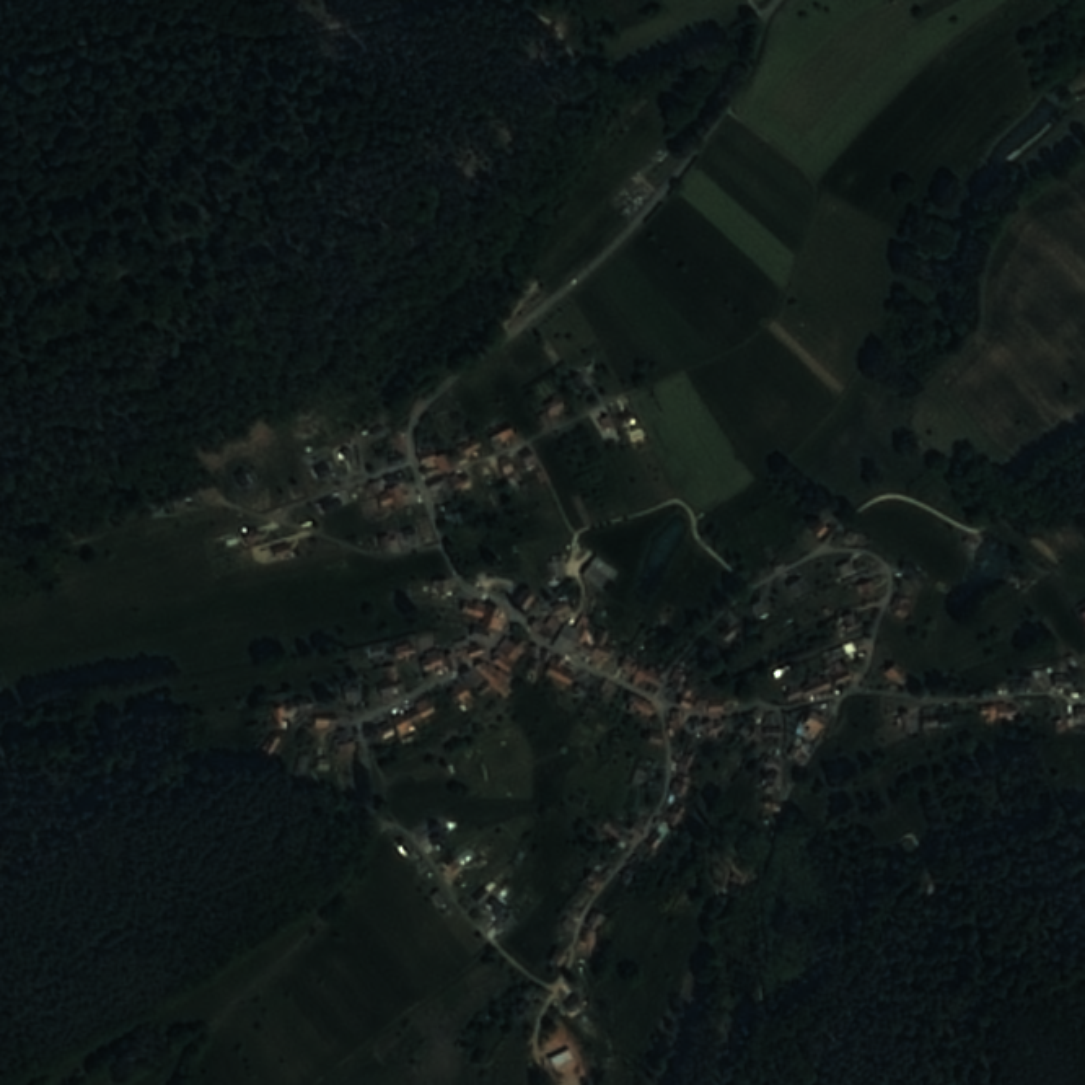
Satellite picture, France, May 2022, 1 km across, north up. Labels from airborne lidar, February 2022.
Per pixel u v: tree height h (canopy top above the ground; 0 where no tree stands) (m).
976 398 0
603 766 0
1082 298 0
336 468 0
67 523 35
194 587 0
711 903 8
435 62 22
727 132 0
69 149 34
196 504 0
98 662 0
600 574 0
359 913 0
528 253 18
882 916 24
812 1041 22
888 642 0
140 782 26
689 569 0
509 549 0
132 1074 12
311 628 0
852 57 0
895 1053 27
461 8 24
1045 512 25
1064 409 0
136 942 23
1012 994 19
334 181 8
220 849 27
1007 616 0
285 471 0
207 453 31
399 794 0
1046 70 17
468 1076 0
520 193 28
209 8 25
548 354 0
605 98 24
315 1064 0
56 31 18
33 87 35
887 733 0
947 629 0
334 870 22
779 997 14
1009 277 0
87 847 20
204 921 24
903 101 0
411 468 0
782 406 0
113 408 35
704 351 0
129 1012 22
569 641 0
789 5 0
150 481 29
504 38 25
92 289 30
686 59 24
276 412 29
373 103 18
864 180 0
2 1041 29
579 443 9
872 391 0
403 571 0
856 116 0
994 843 25
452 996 0
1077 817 31
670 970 0
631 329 0
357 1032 0
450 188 30
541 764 0
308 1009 0
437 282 29
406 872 0
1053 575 0
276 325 27
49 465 35
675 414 0
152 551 0
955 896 16
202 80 35
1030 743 19
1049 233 0
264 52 16
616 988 0
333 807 23
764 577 0
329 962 0
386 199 26
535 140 21
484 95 27
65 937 30
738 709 0
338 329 25
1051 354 0
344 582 0
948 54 0
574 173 25
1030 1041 17
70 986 29
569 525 0
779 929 25
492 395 0
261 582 0
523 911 0
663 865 0
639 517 0
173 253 11
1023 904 32
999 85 0
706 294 0
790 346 0
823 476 0
